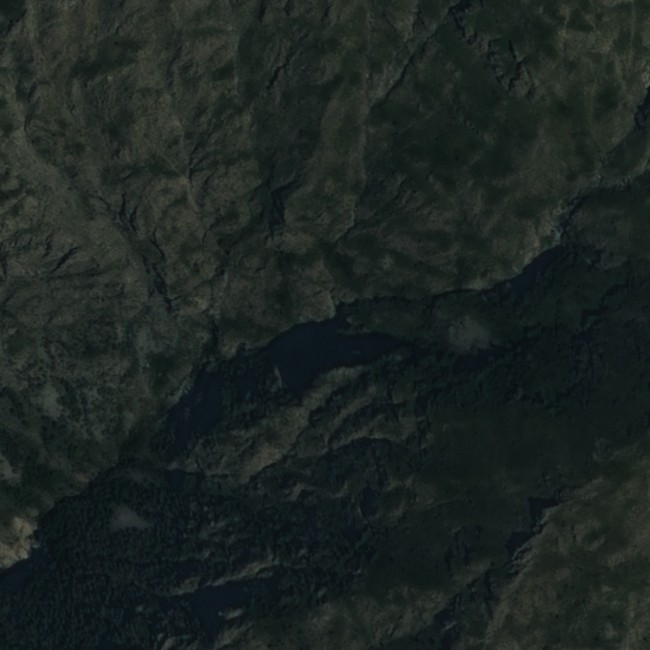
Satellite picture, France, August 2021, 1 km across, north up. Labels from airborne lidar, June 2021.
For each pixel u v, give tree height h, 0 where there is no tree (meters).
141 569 8
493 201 0
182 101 0
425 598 0
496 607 0
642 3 0
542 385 0
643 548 0
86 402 8
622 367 0
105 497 9
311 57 0
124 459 6
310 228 0
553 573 0
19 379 6
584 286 0
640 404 0
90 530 8
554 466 0
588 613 0
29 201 0
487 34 0
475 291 0
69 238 0
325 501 0
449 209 0
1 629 11
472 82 0
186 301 8
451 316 0
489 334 0
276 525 16
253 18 0
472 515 0
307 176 0
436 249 0
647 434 0
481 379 0
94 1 0
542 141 0
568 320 0
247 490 0
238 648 0
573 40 0
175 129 0
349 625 0
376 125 0
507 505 0
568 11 0
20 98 0
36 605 7
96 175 0
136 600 9
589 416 0
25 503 6
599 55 0
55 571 13
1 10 0
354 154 0
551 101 0
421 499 0
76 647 10
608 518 0
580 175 0
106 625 10
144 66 0
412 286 0
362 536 10
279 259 6
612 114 0
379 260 0
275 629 0
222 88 0
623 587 0
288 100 0
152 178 0
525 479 0
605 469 0
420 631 0
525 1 0
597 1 0
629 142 0
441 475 0
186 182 0
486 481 0
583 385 0
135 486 6
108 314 7
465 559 0
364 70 0
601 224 0
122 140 0
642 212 0
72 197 0
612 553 0
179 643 6
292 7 0
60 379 6
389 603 0
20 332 7
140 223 0
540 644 0
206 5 0
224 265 11
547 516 0
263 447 0
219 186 0
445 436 0
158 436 6
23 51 0
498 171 0
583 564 0
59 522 6
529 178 0
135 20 0
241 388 10
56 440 9
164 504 6
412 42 0
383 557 0
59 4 0
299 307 0
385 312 0
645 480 0
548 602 0
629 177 0
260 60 0
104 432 6
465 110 0
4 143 0
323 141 0
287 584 0
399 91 0
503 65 0
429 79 0
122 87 0
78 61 0
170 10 0
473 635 0
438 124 0
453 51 0
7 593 8
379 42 0
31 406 11
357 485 0
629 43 0
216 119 0
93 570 8
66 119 0
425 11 0
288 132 0
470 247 0
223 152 0
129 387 8
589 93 0
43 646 9
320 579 14
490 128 0
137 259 0
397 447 0
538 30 0
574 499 0
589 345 0
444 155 0
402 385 0
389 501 0
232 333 0
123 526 0
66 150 0
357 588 0
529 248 0
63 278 8
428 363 0
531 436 0
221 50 0
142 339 0
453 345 0
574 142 0
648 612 0
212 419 6
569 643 0
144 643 9
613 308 0
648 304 0
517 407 0
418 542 0
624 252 0
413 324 0
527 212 0
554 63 0
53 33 0
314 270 0
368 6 0
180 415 11
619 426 0
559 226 0
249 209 0
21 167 0
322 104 0
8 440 15
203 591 6
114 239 0
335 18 0
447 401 0
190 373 8
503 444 0
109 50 0
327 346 6
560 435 0
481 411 0
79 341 11
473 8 0
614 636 0
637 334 0
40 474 7
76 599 10
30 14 0
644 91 0
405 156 0
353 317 0
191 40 0
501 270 0
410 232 0
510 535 0
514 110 0
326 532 0
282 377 0
